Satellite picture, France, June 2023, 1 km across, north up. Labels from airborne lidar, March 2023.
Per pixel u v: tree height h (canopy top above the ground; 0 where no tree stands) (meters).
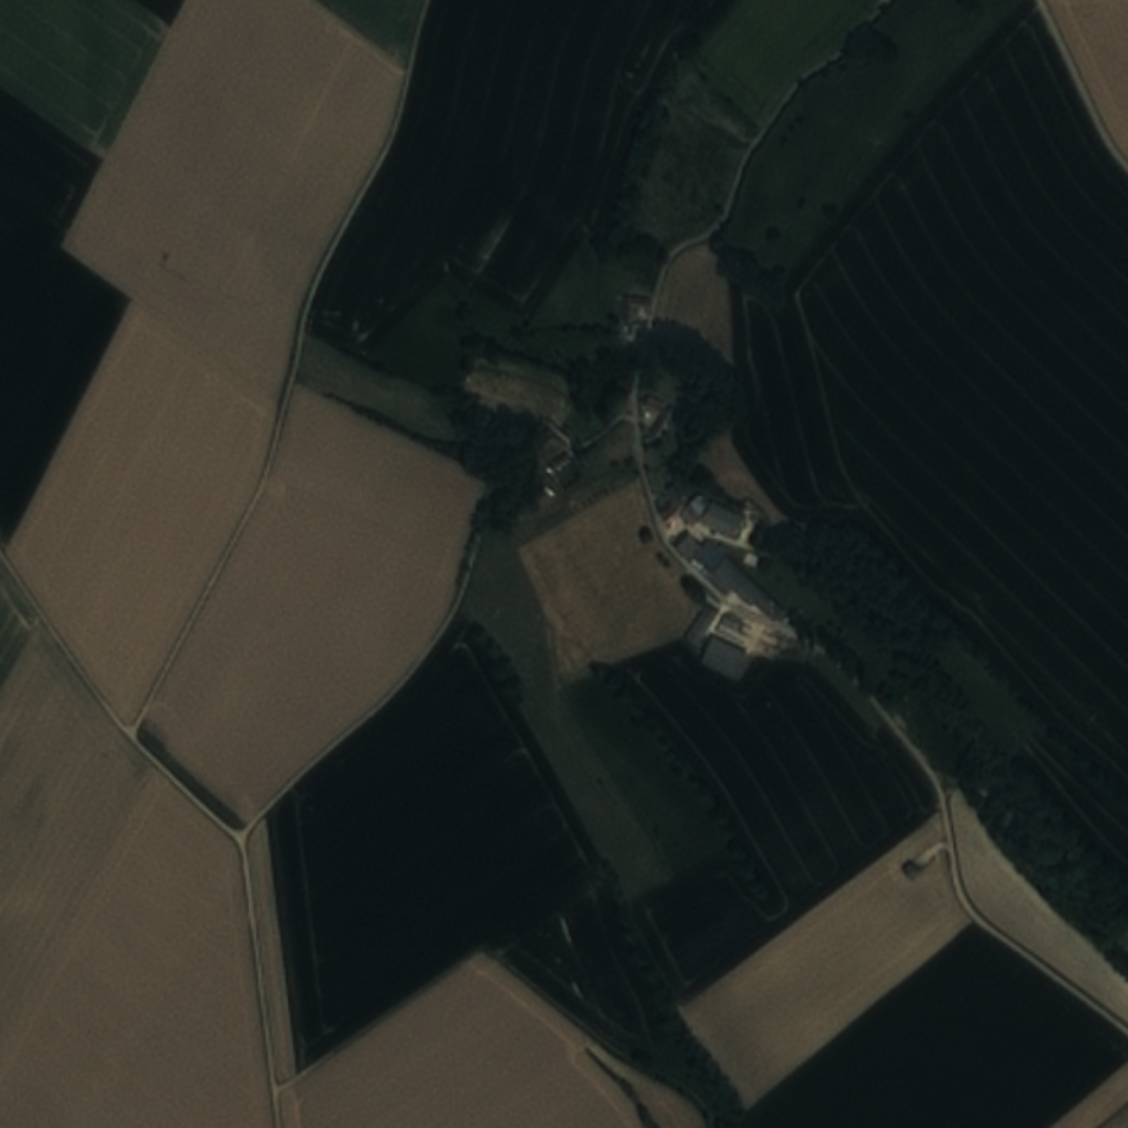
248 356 0
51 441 0
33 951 0
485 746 0
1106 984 0
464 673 0
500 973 0
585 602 0
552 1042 0
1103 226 0
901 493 0
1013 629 0
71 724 0
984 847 0
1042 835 20
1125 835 0
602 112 0
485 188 0
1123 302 0
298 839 0
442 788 0
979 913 0
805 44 0
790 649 0
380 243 0
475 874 0
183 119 0
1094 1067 0
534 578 0
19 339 0
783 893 0
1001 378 0
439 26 0
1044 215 0
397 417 0
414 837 0
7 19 0
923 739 0
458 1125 0
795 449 0
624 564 0
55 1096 0
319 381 0
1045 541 0
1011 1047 0
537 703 0
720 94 0
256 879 0
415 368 0
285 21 0
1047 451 0
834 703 0
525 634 0
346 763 0
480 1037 0
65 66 0
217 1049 0
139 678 0
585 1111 0
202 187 0
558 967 0
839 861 0
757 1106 0
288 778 0
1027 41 0
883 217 0
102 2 0
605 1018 0
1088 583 0
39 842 0
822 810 0
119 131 0
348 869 0
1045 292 0
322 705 0
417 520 0
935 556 0
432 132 0
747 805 0
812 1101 0
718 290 0
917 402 0
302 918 0
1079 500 0
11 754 0
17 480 0
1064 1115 0
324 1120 0
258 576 0
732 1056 0
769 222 0
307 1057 0
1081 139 0
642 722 12
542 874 0
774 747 0
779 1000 0
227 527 0
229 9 0
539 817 0
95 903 0
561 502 0
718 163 0
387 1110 0
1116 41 0
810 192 0
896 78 0
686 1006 0
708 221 0
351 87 0
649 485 0
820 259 0
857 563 27
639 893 0
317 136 0
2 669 0
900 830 0
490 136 0
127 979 0
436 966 0
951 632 21
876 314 0
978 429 0
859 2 0
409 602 0
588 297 0
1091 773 16
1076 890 22
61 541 0
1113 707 0
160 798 0
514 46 0
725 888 0
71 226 0
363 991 0
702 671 0
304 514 0
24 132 0
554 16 0
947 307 0
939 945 0
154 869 0
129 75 0
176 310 0
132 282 0
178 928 0
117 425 0
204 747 0
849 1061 0
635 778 0
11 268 0
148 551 0
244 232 0
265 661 0
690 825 0
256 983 0
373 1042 0
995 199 0
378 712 0
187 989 0
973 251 0
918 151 0
